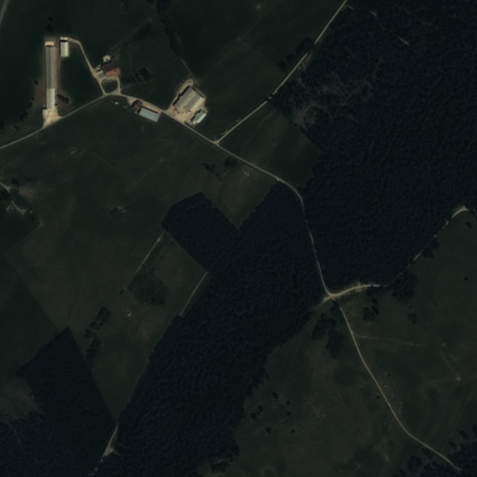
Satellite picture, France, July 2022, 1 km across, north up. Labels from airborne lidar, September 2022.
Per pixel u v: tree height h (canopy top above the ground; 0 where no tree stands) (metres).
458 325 0
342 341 8
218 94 0
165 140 0
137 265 0
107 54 0
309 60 0
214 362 14
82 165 0
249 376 14
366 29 14
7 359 0
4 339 0
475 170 18
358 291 0
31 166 0
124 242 0
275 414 0
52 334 0
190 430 28
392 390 0
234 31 0
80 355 14
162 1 16
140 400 21
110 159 0
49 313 0
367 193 21
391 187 19
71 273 0
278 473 0
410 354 0
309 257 24
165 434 23
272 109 0
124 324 0
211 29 0
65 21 0
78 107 0
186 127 0
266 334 16
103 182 0
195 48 0
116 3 0
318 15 0
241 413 23
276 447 0
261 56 0
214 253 21
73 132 0
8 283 0
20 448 23
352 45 16
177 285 0
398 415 0
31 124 0
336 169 15
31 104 6
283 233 23
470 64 26
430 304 0
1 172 0
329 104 6
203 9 0
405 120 20
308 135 12
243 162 0
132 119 0
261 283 27
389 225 22
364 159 19
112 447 0
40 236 0
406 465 0
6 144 0
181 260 0
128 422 22
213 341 21
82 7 0
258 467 0
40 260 0
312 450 0
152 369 22
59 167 0
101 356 0
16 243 0
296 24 0
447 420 0
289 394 0
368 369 0
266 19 0
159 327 0
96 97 0
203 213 26
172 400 26
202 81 0
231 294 28
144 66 0
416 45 9
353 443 0
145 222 0
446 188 20
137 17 0
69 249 0
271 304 13
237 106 0
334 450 0
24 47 0
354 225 23
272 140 0
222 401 17
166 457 13
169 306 0
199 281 0
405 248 24
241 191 0
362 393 0
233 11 0
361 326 0
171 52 0
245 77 0
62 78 0
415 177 22
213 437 27
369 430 0
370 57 9
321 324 7
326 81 11
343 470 0
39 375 14
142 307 0
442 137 18
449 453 0
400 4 6
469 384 0
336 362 0
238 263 8
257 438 0
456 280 0
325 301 0
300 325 17
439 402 0
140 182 0
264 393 0
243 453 0
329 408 0
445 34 13
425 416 0
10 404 0
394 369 0
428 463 0
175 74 0
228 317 30
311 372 0
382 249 21
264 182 0
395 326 0
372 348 0
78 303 0
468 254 0
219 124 0
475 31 14
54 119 0
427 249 24
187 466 19
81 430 10
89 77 0
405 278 16
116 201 0
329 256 26
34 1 0
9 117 0
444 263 0
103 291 0
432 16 9
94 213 0
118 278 0
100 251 0
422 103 21
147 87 0
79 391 16
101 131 0
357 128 9
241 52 0
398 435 0
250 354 12
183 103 0
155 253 0
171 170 0
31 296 0
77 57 0
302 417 0
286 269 21
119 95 0
